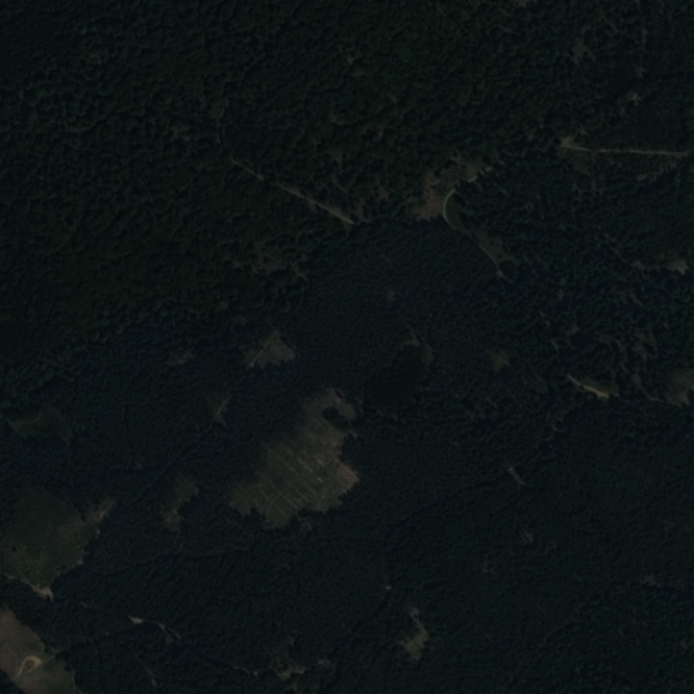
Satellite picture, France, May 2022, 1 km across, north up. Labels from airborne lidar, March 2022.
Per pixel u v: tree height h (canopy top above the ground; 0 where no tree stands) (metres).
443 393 30
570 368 28
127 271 16
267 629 19
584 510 35
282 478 0
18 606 13
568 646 6
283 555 22
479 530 23
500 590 14
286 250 15
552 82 21
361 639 26
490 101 16
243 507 0
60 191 19
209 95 17
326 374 22
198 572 22
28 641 0
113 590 20
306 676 10
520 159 27
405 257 21
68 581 19
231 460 24
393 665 15
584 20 25
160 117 14
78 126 13
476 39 10
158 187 10
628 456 18
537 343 27
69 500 27
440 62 8
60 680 0
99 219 17
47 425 0
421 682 16
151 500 22
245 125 16
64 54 17
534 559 14
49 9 10
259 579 19
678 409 7
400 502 22
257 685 14
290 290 19
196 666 25
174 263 15
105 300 15
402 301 23
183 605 19
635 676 6
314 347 21
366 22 15
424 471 24
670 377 24
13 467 26
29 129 16
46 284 16
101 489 26
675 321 16
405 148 17
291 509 0
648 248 18
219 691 20
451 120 19
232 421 24
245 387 27
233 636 17
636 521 16
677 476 19
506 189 25
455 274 23
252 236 7
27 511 0
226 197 18
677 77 24
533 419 25
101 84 13
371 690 22
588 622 7
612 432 20
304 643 20
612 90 16
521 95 18
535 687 8
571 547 22
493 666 28
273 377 24
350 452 23
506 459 26
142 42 19
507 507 22
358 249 19
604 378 28
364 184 20
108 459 20
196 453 21
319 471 0
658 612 12
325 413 0
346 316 20
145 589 15
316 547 16
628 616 9
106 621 25
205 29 16
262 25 19
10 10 11
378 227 20
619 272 29
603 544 28
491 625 31
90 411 16
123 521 20
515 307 31
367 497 24
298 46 16
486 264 22
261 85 15
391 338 19
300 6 13
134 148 19
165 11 25
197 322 14
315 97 17
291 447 0
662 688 9
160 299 16
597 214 20
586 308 30
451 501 27
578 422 28
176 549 22
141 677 20
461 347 29
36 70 7
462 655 18
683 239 18
